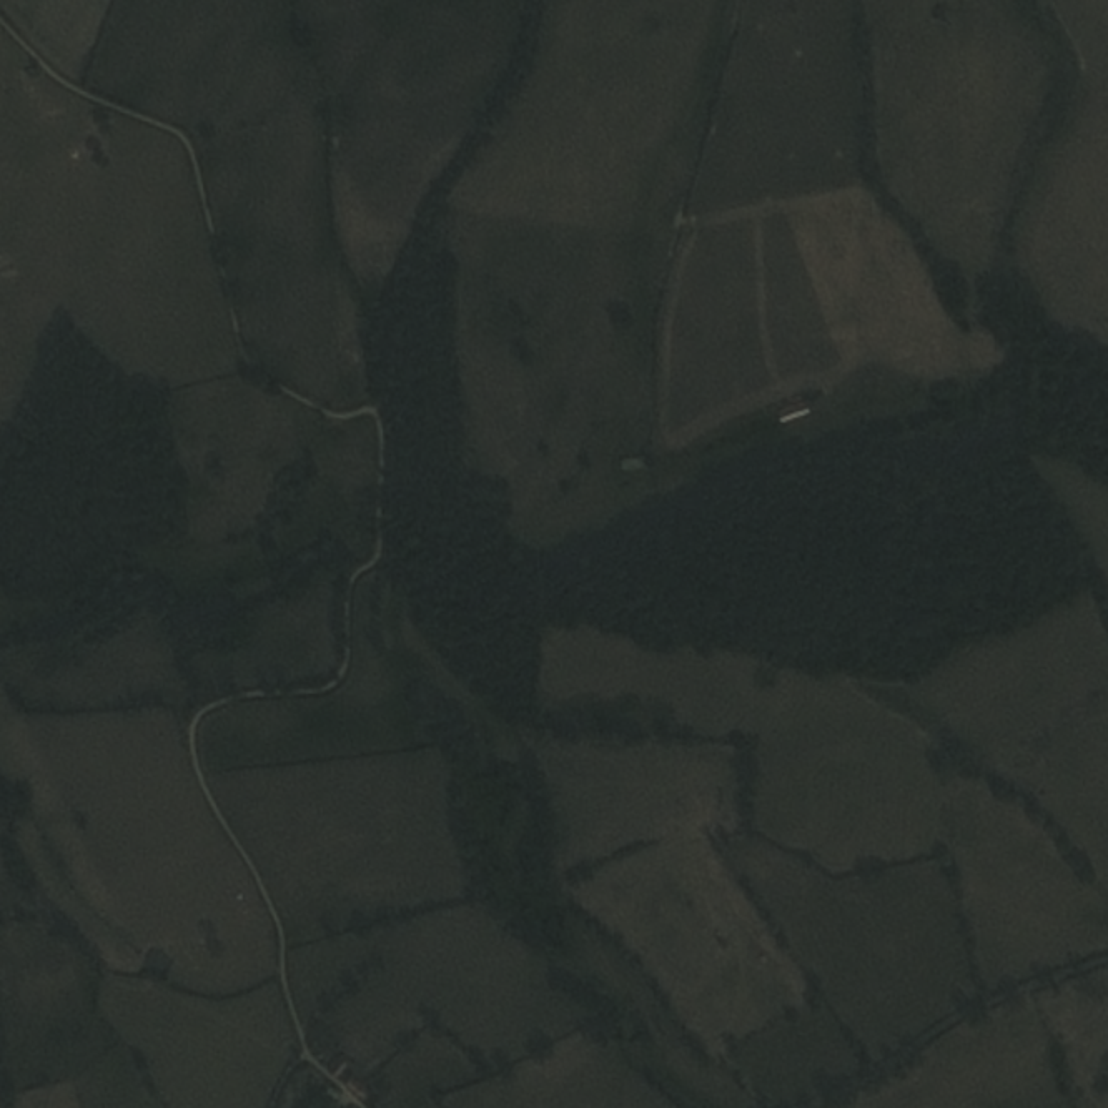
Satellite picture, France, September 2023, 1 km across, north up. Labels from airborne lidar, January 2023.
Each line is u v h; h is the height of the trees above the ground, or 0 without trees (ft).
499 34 0
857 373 0
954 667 0
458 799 40
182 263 0
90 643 22
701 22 0
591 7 0
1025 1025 0
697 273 0
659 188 0
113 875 0
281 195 0
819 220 0
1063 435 37
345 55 0
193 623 89
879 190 39
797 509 85
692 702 0
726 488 67
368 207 0
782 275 0
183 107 0
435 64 0
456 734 73
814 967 0
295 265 0
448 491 64
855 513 79
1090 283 0
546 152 0
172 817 0
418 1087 0
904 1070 49
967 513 81
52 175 0
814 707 0
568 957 0
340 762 0
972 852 0
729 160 0
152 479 60
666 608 68
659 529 90
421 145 0
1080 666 0
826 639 90
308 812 0
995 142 0
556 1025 0
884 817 0
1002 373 30
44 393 64
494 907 62
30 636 22
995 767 0
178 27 0
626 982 0
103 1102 0
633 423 0
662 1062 0
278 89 0
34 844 0
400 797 0
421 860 0
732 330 0
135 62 0
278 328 0
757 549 83
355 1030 0
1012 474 74
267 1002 0
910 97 0
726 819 0
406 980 0
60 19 0
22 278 0
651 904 0
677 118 0
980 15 0
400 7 0
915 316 0
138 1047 0
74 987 0
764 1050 0
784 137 0
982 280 0
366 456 0
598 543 22
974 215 0
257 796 0
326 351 0
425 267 66
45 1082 41
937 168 0
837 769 0
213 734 0
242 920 0
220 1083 0
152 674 0
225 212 0
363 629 0
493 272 0
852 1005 0
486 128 50
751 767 54
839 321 0
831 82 0
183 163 0
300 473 20
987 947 0
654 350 20
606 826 0
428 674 0
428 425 66
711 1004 0
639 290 0
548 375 0
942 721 0
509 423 0
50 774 0
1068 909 0
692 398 0
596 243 0
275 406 0
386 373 75
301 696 44
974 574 76
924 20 0
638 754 0
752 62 0
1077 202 0
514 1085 0
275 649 0
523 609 64
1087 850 0
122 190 0
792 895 0
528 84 34
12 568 34
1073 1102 0
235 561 0
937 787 0
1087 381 22
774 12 0
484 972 0
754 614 74
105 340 0
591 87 0
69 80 0
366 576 0
